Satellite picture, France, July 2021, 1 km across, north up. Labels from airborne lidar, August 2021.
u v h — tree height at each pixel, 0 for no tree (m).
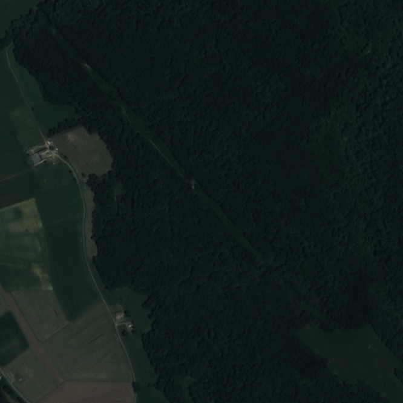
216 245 23
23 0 0
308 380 20
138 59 26
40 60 22
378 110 29
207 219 23
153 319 23
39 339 0
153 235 26
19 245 0
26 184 0
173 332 26
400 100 26
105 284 16
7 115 0
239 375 20
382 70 37
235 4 27
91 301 0
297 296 7
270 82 25
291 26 23
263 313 26
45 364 0
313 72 22
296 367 19
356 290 19
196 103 23
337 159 11
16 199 0
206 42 23
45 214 0
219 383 19
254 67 20
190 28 23
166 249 28
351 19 26
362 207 20
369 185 11
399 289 28
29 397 0
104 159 0
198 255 27
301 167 14
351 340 0
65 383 0
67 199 0
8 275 0
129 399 0
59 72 23
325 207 15
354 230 25
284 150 14
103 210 7
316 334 0
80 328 0
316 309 6
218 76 25
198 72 27
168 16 14
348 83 16
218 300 27
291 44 21
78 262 0
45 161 8
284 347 19
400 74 27
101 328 0
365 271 19
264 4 13
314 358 14
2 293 0
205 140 23
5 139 0
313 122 26
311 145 10
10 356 0
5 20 0
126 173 15
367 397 19
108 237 18
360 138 21
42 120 0
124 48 28
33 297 0
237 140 21
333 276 14
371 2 29
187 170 14
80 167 0
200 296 24
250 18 19
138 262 9
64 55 20
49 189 0
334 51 24
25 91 0
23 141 0
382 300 25
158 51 26
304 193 14
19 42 19
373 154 23
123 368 0
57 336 0
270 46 21
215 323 19
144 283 25
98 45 23
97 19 25
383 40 25
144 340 17
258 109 18
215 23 22
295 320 18
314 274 7
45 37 19
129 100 26
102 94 21
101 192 18
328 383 25
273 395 16
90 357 0
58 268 0
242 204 21
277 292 28
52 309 0
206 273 30
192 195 22
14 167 0
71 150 0
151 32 26
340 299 24
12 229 0
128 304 0
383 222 6
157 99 22
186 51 22
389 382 0
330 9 9
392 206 21
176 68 22
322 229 17
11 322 0
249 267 15
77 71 23
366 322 16
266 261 15
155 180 19
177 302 24
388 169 24
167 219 25
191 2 16
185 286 36
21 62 16
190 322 23
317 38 20
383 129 28
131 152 20
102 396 0
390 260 27
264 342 24
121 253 20
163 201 26
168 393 21
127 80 23
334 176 16
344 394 23
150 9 26
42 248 0
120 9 23
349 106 12
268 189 17
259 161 15
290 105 20
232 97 16
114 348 0
